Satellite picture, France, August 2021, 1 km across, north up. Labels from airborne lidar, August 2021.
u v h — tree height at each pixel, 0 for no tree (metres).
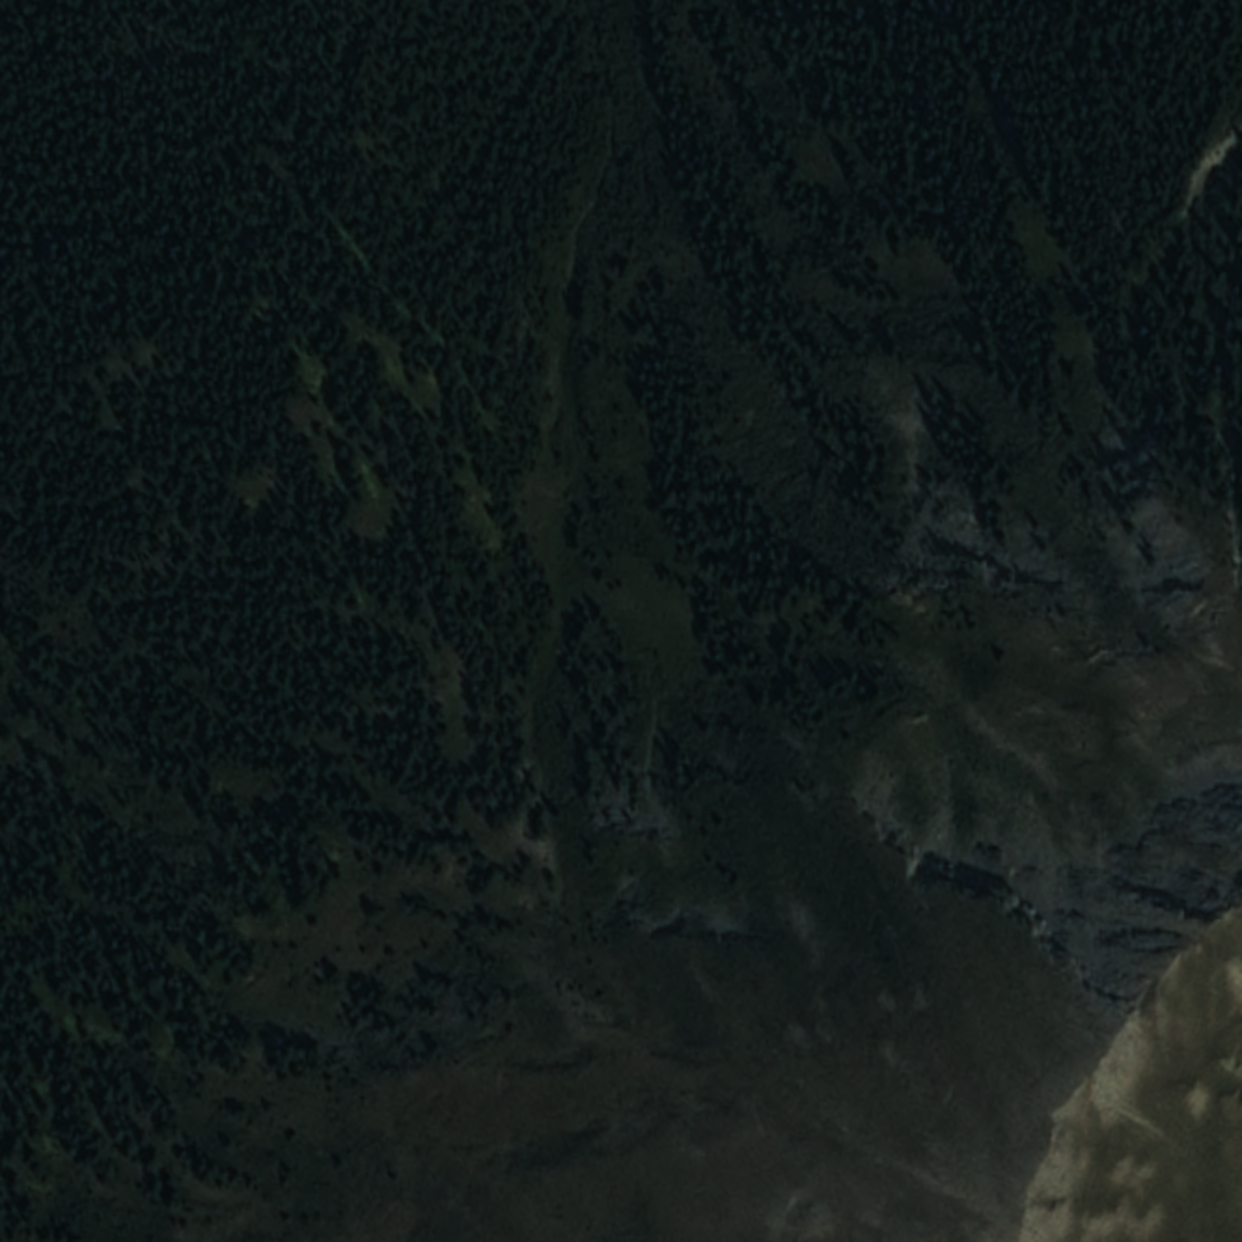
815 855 0
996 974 0
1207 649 0
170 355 16
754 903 0
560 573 0
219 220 14
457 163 10
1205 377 14
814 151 0
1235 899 0
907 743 0
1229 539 0
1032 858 0
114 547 13
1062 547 0
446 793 17
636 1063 0
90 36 20
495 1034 0
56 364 16
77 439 20
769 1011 0
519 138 11
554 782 0
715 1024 0
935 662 0
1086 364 0
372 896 0
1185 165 18
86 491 17
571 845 0
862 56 24
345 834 0
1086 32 22
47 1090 0
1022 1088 0
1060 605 0
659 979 0
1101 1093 0
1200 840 0
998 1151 0
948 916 0
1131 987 0
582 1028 0
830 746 0
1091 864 0
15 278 23
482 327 16
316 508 18
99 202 20
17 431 17
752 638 0
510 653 8
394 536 9
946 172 22
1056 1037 0
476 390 12
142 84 19
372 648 16
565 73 22
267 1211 0
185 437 20
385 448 13
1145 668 0
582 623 7
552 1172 0
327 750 0
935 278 0
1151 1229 0
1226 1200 0
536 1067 0
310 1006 0
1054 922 0
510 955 0
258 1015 0
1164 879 0
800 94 13
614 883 0
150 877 15
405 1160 0
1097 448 0
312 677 10
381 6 21
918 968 0
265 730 17
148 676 16
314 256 20
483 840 0
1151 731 0
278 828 6
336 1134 0
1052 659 0
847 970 0
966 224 19
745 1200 0
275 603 16
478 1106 0
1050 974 0
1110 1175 0
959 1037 0
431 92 17
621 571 0
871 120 22
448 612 10
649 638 0
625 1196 0
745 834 0
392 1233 0
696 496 20
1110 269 18
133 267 12
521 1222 0
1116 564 0
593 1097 0
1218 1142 0
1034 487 0
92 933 20
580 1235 0
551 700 0
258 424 19
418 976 0
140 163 13
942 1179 0
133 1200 0
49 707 0
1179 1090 0
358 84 19
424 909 9
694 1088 0
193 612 11
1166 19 11
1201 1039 0
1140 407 8
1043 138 19
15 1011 17
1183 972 0
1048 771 0
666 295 16
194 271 22
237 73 20
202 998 16
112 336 17
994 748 0
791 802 0
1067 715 0
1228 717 0
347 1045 0
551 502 0
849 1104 0
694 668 0
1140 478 0
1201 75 20
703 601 8
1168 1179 0
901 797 0
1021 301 19
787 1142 0
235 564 10
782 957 0
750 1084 0
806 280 0
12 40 15
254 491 0
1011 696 0
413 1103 0
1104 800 0
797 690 11
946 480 7
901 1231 0
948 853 0
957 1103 0
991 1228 0
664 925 0
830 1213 0
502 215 24
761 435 0
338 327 21
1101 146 14
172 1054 0
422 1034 0
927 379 0
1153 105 14
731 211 25
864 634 15
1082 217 18
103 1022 0
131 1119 6
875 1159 0
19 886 12
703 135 19
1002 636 0
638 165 7
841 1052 0
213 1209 0
